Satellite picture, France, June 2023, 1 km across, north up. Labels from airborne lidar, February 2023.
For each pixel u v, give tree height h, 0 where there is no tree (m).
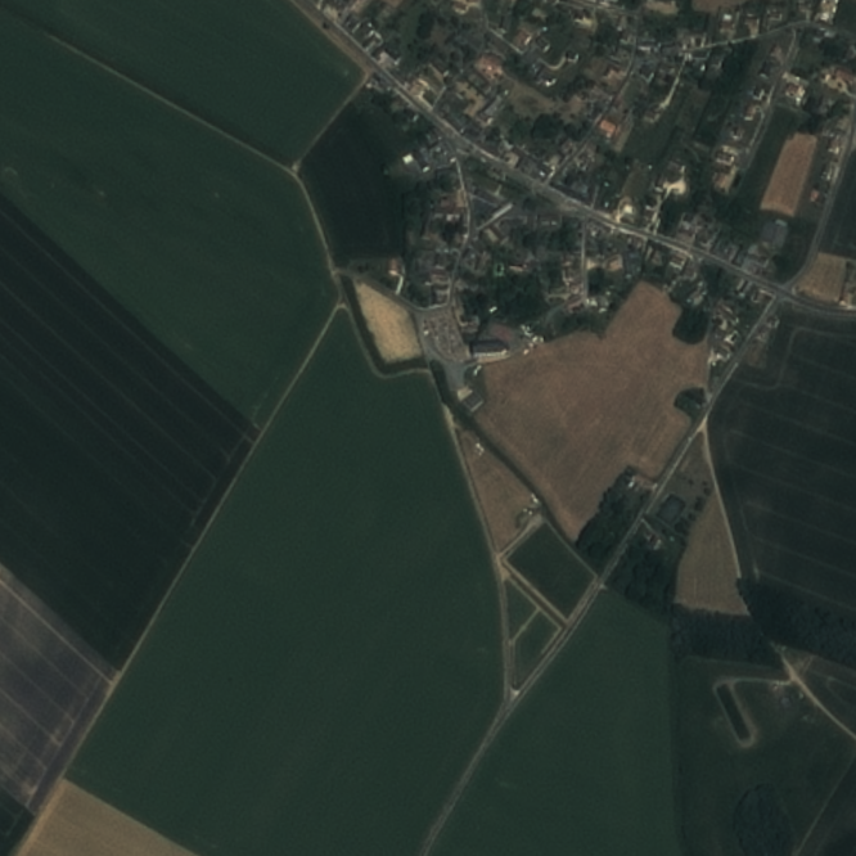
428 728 0
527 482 0
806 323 0
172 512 0
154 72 0
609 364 0
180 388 0
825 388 0
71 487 0
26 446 0
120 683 0
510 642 0
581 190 0
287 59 0
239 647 0
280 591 0
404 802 0
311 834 0
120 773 0
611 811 0
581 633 0
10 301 0
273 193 0
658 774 0
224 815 0
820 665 0
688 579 0
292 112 0
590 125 13
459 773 0
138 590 0
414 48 9
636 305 0
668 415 0
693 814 0
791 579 0
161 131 0
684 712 0
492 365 0
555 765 0
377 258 0
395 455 0
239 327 0
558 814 0
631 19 6
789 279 0
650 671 0
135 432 0
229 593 0
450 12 0
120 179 0
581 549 17
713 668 0
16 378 0
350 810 0
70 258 0
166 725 0
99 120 0
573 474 0
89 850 0
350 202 0
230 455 0
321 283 0
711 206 6
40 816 0
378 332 0
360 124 0
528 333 0
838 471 0
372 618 0
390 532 0
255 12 0
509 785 0
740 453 0
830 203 0
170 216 0
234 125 0
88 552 0
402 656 0
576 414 0
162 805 0
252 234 0
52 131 0
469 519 0
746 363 0
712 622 17
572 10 0
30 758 0
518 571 0
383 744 0
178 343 0
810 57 0
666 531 7
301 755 0
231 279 0
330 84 0
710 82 11
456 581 0
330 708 0
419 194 9
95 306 0
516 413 0
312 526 0
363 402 0
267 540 0
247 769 0
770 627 13
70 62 0
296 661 0
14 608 0
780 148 0
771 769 0
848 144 0
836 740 0
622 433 0
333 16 0
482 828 0
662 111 0
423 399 0
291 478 0
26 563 0
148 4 0
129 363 0
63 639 0
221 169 0
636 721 0
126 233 0
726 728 0
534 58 0
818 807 0
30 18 0
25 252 0
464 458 0
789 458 0
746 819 13
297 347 0
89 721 0
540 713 0
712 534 0
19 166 0
